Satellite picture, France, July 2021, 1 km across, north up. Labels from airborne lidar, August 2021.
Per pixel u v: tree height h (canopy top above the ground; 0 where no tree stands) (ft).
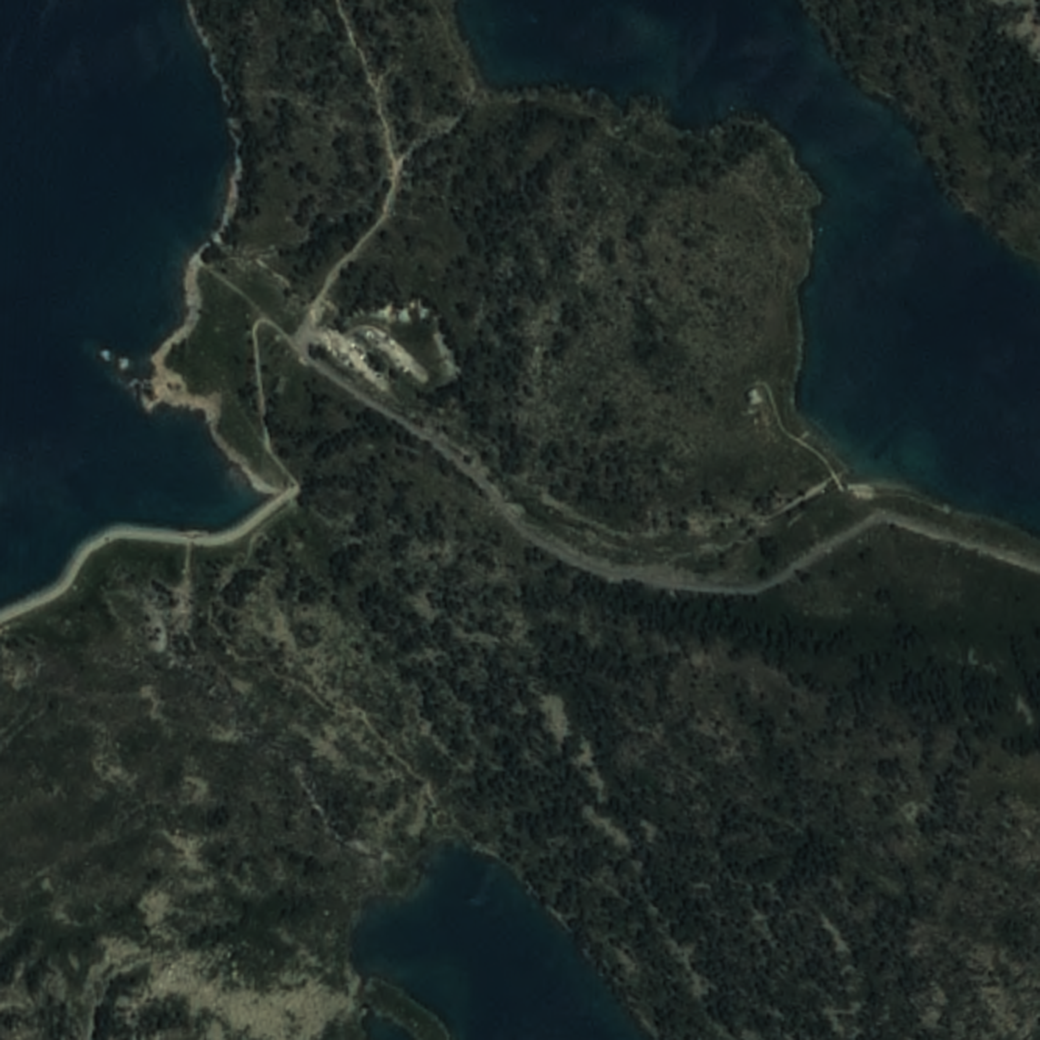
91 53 0
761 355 0
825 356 0
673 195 0
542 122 21
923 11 24
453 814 0
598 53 0
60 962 0
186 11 0
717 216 0
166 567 0
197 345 0
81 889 0
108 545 0
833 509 0
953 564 0
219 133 0
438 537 36
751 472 0
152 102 0
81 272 0
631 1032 0
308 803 0
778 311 0
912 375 0
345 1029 0
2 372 0
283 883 0
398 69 0
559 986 0
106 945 0
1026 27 0
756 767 32
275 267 0
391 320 0
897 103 29
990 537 0
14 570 0
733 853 45
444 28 0
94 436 0
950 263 0
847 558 0
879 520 0
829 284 0
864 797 0
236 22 24
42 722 0
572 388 0
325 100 22
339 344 0
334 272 0
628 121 0
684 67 0
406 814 0
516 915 0
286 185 0
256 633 0
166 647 0
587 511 0
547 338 0
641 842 32
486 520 0
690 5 0
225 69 23
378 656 27
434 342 0
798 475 0
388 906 0
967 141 0
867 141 0
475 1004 0
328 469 0
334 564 32
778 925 33
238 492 0
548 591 25
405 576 32
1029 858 0
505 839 27
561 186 0
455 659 21
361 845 0
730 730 17
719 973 25
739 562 0
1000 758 0
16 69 0
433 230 0
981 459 0
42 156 0
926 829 34
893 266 0
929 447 0
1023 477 0
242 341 0
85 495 0
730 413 0
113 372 0
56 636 0
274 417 30
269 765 0
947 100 32
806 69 0
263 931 0
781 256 0
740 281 0
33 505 0
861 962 29
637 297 31
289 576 27
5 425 0
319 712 0
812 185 0
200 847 0
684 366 0
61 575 0
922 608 0
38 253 0
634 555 0
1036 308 0
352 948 0
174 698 0
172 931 0
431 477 0
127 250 0
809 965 31
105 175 0
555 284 0
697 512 0
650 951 36
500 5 0
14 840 0
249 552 0
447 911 0
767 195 0
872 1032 34
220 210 0
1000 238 20
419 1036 0
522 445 26
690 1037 44
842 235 0
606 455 29
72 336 0
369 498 23
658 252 0
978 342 0
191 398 0
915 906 26
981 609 0
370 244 0
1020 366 0
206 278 0
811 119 0
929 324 0
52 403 0
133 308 0
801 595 0
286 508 0
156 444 0
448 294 0
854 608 0
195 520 0
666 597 27
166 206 0
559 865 29
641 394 0
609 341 0
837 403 0
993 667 0
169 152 0
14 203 0
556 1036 0
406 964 0
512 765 43
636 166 28
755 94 0
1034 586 0
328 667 0
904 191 0
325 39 27
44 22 0
